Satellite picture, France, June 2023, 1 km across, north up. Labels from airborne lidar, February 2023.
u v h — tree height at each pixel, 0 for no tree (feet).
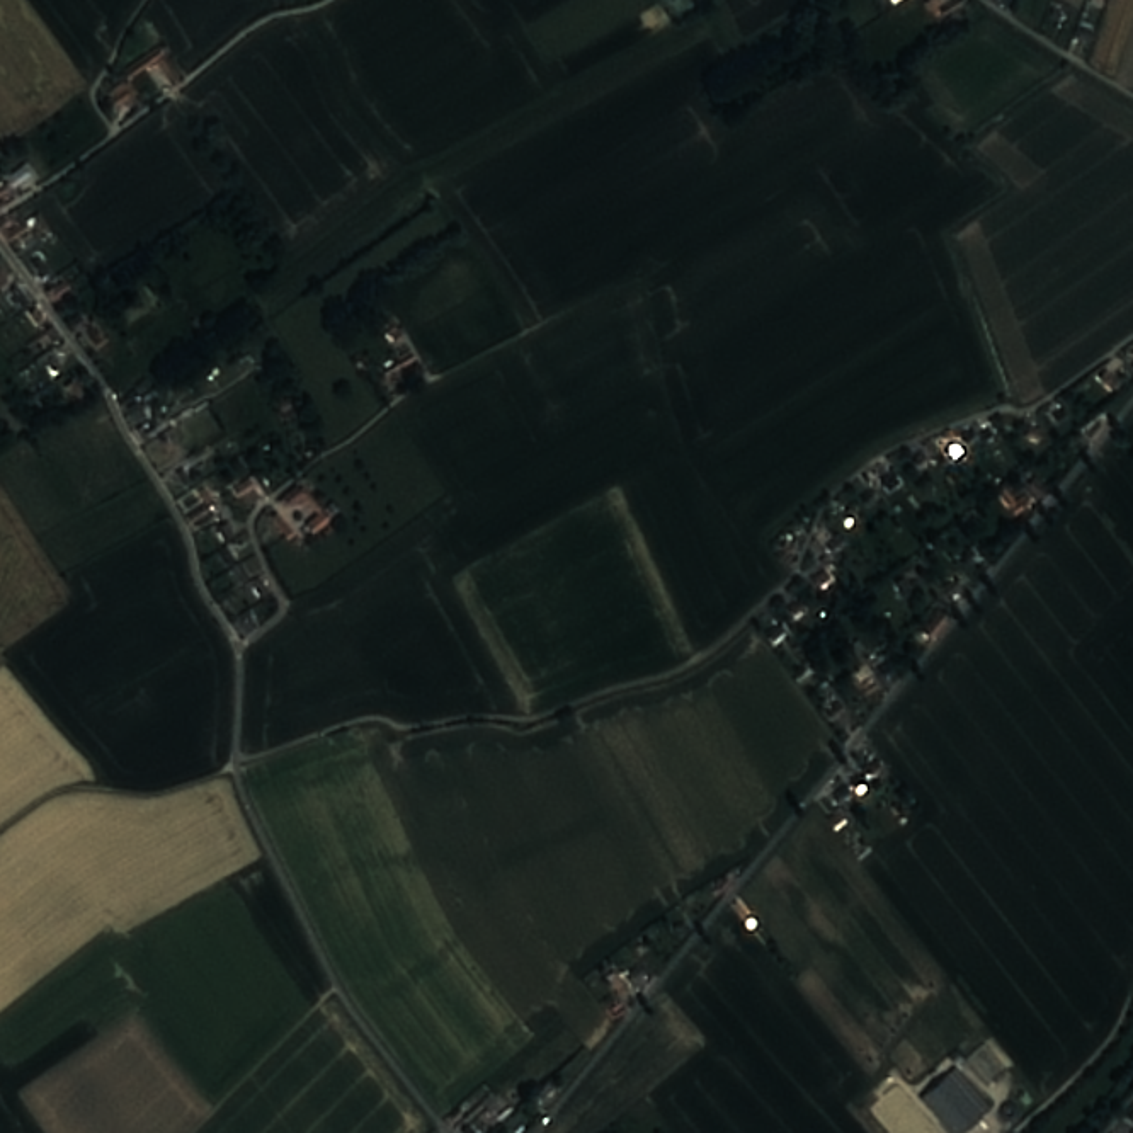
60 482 0
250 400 0
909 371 0
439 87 0
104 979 0
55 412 51
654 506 0
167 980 0
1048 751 0
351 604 0
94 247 0
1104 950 0
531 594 0
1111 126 0
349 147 0
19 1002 0
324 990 0
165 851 0
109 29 0
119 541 0
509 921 0
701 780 0
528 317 0
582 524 0
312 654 0
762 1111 0
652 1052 0
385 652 0
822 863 0
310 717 0
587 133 0
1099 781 0
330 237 0
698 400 0
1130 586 0
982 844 0
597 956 0
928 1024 0
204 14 0
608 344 0
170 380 80
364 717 0
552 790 0
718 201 0
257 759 0
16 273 0
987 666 0
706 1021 0
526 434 0
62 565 0
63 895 0
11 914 0
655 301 0
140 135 0
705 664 0
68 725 0
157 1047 0
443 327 0
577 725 0
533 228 0
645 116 0
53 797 0
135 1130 0
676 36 0
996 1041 0
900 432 0
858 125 0
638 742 0
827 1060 0
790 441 0
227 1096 0
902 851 0
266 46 0
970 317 0
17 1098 0
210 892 0
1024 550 0
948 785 0
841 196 0
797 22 55
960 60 0
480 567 0
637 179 0
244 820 0
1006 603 0
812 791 0
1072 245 0
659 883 0
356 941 0
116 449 0
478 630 0
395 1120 0
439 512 0
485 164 0
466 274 0
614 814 0
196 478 33
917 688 0
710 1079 0
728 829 0
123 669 0
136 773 0
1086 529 0
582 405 0
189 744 0
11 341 0
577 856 0
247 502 0
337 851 0
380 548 0
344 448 0
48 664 0
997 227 0
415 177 0
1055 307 0
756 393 0
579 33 0
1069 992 0
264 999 0
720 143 0
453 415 0
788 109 0
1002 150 0
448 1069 0
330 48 0
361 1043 0
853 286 0
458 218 0
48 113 0
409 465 0
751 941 0
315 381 0
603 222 0
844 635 31
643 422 0
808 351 0
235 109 0
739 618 0
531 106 0
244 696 0
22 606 0
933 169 0
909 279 0
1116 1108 52
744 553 0
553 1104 0
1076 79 0
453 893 0
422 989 0
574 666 0
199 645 0
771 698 0
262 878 0
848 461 0
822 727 0
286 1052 0
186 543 0
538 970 0
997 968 0
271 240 50
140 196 0
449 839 0
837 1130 0
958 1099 0
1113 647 0
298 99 0
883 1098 0
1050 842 0
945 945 0
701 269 0
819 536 0
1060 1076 0
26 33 0
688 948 0
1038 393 0
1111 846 0
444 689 0
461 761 0
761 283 0
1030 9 0
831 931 0
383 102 0
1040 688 0
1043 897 0
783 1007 0
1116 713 0
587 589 0
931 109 0
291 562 0
